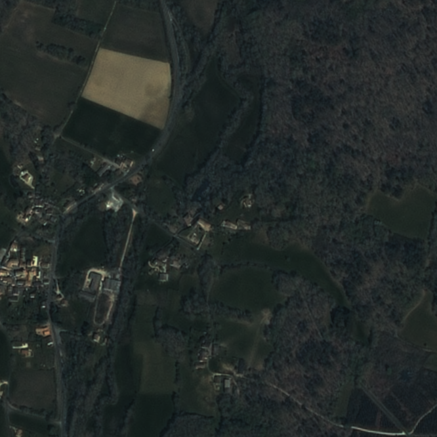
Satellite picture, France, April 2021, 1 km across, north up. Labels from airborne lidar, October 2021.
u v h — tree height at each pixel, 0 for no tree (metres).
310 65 9
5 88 0
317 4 17
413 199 0
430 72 19
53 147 18
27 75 0
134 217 0
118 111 0
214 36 15
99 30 6
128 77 0
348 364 17
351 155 21
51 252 0
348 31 13
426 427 7
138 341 0
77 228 11
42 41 0
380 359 10
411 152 13
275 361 13
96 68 0
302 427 11
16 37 0
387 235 18
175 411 6
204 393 0
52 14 0
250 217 0
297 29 14
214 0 0
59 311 21
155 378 0
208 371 0
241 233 11
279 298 0
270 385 11
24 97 0
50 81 0
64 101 0
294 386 19
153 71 0
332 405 8
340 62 8
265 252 0
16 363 0
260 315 0
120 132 0
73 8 18
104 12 0
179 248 6
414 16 19
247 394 18
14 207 7
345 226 19
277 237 21
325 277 0
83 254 0
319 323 8
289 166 29
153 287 0
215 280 15
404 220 0
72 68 0
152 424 0
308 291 18
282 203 17
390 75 9
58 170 7
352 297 28
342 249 20
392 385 6
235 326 0
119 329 21
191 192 21
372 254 18
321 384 30
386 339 7
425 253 23
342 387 9
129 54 0
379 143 15
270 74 18
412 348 11
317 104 17
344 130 16
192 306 22
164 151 0
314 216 20
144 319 0
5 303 0
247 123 0
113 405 15
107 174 11
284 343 16
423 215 0
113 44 0
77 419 33
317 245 7
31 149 11
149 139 0
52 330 0
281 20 18
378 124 17
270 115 18
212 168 14
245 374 6
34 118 8
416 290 17
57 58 22
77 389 21
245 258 0
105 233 12
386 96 17
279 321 21
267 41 19
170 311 0
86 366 23
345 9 27
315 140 21
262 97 18
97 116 0
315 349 11
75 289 11
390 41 21
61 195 5
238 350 0
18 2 17
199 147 0
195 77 20
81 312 0
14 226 0
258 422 13
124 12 0
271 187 17
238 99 0
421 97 18
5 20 14
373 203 0
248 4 8
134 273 22
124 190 6
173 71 11
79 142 0
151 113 0
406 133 18
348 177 16
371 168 17
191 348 16
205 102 0
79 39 0
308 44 7
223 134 12
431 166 14
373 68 14
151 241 0
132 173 0
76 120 0
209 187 17
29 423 0
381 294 14
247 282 0
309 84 17
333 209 17
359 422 6
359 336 0
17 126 18
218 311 20
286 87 13
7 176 0
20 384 0
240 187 22
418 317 0
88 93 0
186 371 0
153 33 0
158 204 0
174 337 22
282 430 14
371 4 22
